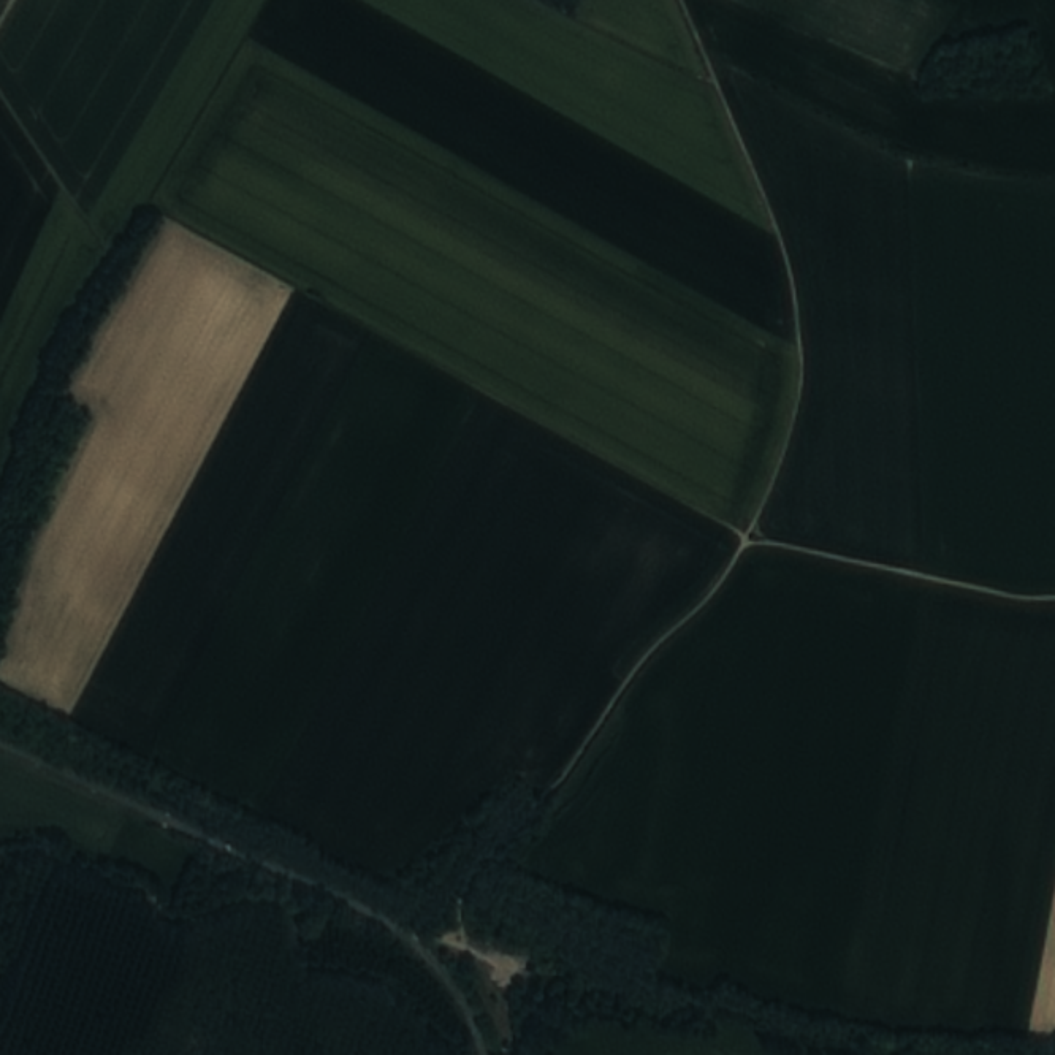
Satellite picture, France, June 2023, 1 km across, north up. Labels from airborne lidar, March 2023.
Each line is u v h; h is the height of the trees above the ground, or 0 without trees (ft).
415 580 0
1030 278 0
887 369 0
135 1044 85
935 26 0
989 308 0
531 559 0
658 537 0
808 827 0
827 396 0
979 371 0
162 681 0
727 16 0
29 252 0
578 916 52
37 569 0
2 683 19
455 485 0
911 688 0
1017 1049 62
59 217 0
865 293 0
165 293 0
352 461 0
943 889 0
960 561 0
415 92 0
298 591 0
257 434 0
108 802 0
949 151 0
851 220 0
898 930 0
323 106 0
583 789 0
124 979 91
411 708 0
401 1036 88
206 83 0
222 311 0
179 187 0
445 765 0
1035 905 0
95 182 0
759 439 0
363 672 0
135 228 43
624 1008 67
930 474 0
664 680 0
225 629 0
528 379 0
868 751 0
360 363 0
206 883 47
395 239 0
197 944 91
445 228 0
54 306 0
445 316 0
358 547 0
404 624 0
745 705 0
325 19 0
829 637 0
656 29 0
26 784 0
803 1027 56
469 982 41
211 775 0
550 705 0
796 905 0
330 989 90
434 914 73
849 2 0
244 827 62
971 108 0
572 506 0
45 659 0
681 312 0
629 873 0
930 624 0
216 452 0
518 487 0
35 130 0
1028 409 0
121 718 0
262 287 0
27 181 0
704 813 0
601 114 0
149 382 0
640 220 0
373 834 0
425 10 0
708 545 0
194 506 0
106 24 0
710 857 0
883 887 0
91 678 0
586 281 0
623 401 0
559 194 0
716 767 0
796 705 0
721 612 0
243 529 0
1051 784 0
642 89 0
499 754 0
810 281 0
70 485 0
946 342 0
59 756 38
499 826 59
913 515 0
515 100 0
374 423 0
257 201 0
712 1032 54
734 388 0
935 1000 0
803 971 0
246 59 0
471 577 0
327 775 0
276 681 0
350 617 0
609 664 0
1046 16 0
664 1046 0
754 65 0
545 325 0
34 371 0
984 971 0
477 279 0
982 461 0
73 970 95
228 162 0
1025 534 0
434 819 0
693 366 0
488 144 0
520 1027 37
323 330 0
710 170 0
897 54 0
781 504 0
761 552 0
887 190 0
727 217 0
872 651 0
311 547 0
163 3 0
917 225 0
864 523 0
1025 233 0
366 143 0
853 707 0
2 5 0
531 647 0
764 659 0
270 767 0
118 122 0
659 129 0
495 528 0
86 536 0
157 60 0
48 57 0
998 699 0
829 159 0
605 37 0
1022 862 0
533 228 0
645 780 0
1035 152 0
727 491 0
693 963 0
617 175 0
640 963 41
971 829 0
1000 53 56
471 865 60
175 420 0
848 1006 0
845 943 0
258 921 93
